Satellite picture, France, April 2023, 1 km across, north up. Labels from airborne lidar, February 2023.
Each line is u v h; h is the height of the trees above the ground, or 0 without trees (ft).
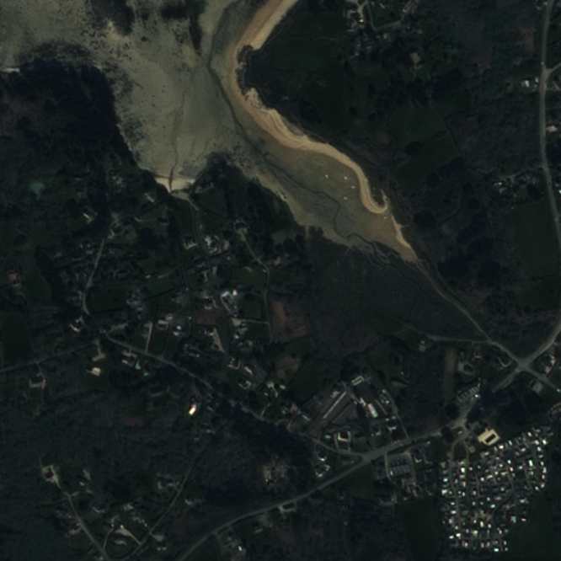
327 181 0
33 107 0
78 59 0
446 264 21
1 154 36
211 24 0
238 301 0
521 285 62
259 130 0
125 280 24
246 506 0
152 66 0
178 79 0
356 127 0
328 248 0
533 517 0
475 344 0
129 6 0
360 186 0
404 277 0
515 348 25
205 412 40
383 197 0
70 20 0
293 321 0
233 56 0
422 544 0
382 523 44
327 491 0
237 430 52
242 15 0
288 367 0
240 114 0
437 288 0
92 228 50
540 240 0
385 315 0
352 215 0
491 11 23
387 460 0
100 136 41
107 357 24
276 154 0
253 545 0
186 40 0
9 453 30
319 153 0
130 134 0
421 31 0
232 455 64
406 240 0
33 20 0
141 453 37
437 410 24
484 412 68
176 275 22
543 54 0
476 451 0
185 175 0
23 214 28
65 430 38
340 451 0
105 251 18
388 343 31
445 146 0
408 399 21
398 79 57
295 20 0
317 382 0
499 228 34
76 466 0
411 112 0
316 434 0
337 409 0
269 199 0
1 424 26
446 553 25
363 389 0
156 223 0
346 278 0
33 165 66
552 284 0
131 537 0
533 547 0
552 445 0
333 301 0
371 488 0
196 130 0
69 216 28
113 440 36
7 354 0
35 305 51
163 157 0
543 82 0
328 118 0
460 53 31
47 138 46
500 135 35
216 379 66
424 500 0
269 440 81
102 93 82
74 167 0
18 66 0
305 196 0
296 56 0
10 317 0
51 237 32
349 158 0
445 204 28
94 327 26
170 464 29
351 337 0
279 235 0
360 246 0
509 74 38
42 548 30
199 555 0
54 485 0
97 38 0
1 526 0
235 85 0
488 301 32
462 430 0
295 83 0
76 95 81
